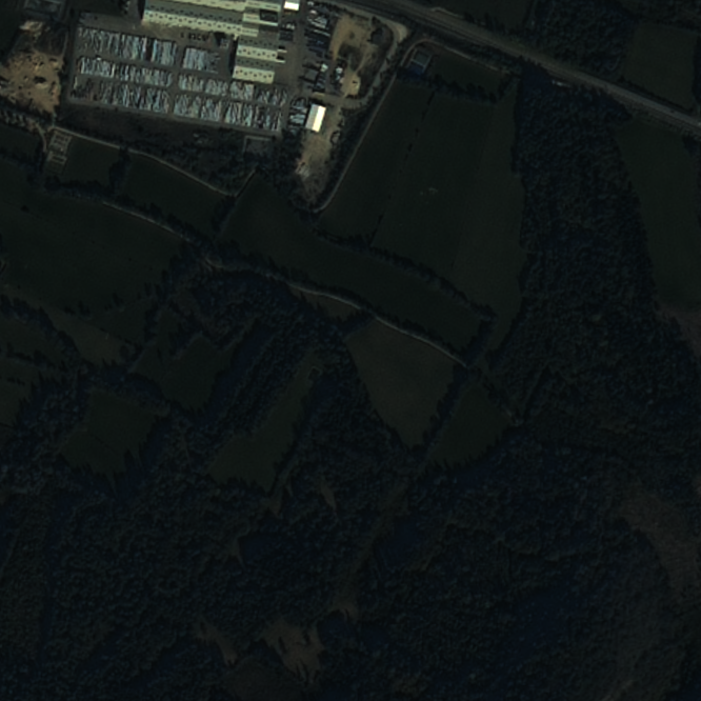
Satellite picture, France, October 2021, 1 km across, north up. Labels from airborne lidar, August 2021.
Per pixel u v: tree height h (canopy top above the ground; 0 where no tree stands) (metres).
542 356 9
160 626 22
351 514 20
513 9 0
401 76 8
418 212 0
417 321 0
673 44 0
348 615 0
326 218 0
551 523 22
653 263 12
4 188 0
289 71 0
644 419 23
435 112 0
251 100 0
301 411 0
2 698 23
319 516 19
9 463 13
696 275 0
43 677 19
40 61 0
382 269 0
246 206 0
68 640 15
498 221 0
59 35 0
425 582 13
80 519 13
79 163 0
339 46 0
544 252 20
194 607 22
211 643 0
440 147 0
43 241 0
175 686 16
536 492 10
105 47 0
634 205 14
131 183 0
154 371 0
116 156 0
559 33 17
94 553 25
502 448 15
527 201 6
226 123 0
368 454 18
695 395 24
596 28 23
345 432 18
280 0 0
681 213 0
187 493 8
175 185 0
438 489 10
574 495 21
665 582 16
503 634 16
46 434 21
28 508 8
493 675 15
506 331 0
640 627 6
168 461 17
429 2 10
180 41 0
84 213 0
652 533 0
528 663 16
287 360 14
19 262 0
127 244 0
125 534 17
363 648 25
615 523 8
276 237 0
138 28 0
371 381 0
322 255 0
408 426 0
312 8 0
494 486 16
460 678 16
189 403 0
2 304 6
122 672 23
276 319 21
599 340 19
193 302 0
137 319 0
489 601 14
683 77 0
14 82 0
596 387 17
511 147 0
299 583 28
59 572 27
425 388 0
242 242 0
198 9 0
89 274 0
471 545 9
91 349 0
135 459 0
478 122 0
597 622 10
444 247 0
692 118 0
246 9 0
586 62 18
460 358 7
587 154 10
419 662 14
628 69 0
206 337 15
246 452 0
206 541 24
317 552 7
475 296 0
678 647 21
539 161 18
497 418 0
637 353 15
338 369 12
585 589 11
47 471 22
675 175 0
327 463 23
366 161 0
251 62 0
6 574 8
